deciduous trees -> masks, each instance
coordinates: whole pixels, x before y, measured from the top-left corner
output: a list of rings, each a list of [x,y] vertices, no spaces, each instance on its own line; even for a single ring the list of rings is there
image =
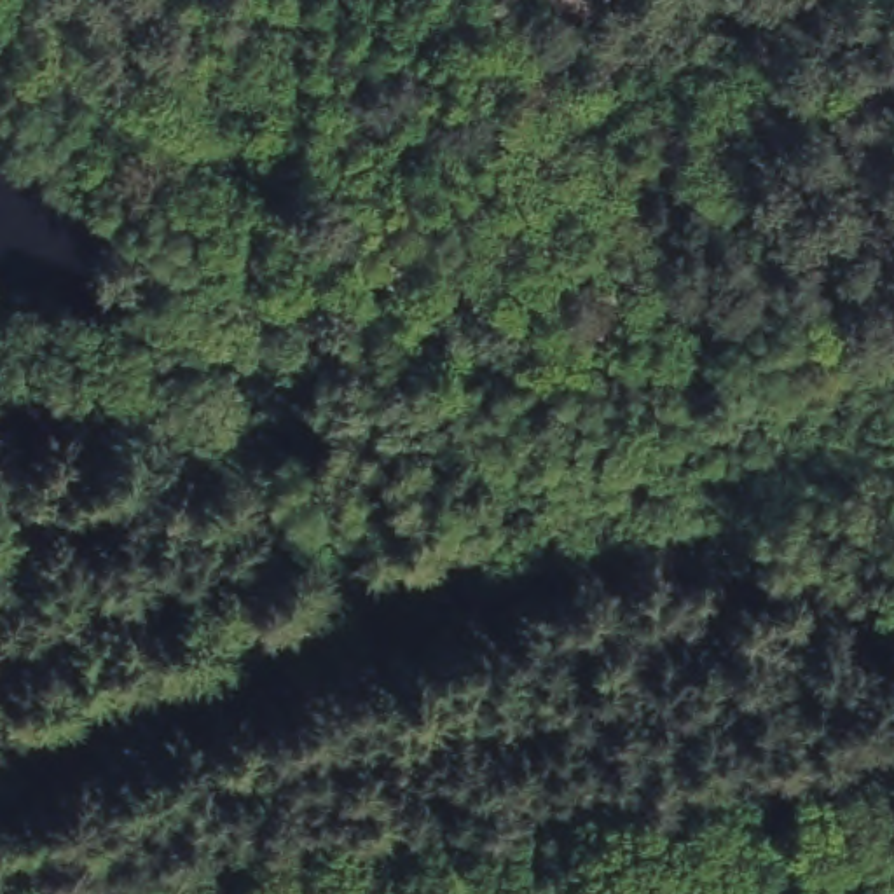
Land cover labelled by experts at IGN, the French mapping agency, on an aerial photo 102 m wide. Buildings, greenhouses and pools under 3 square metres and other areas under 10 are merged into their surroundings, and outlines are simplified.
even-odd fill
[[[880,726],[870,740],[831,751],[828,768],[821,772],[810,768],[786,775],[782,796],[793,800],[800,831],[796,859],[782,856],[761,835],[761,810],[768,793],[751,793],[744,786],[744,772],[733,768],[730,775],[705,779],[702,789],[667,789],[660,796],[657,824],[646,835],[611,831],[608,856],[562,873],[555,884],[541,884],[534,877],[534,845],[524,842],[513,845],[506,856],[492,856],[485,849],[475,870],[450,877],[447,894],[894,894],[894,702],[887,702]]]
[[[136,866],[122,859],[112,866],[108,856],[94,856],[70,891],[28,894],[217,894],[220,873],[241,870],[251,859],[255,828],[248,817],[241,817],[234,824],[224,824],[220,831],[199,835],[192,866],[182,866],[168,877],[154,873],[150,859]]]
[[[716,269],[695,269],[688,276],[677,276],[674,286],[660,297],[660,251],[653,244],[667,230],[667,224],[643,227],[636,217],[639,189],[660,175],[660,136],[667,126],[681,129],[688,143],[716,143],[723,133],[747,129],[747,108],[768,84],[761,70],[747,66],[733,38],[705,31],[705,14],[733,14],[744,24],[772,28],[779,24],[779,17],[814,7],[814,0],[653,0],[639,17],[604,17],[604,35],[580,35],[555,17],[552,3],[580,10],[587,0],[237,0],[234,10],[248,17],[251,28],[234,49],[234,63],[203,56],[185,77],[164,77],[161,84],[136,91],[122,70],[122,56],[91,63],[77,59],[70,66],[35,70],[28,80],[17,84],[17,91],[10,91],[0,101],[0,171],[17,185],[38,182],[52,210],[87,224],[115,251],[122,251],[122,258],[129,258],[119,279],[105,279],[98,286],[101,307],[126,307],[126,321],[115,321],[98,332],[87,328],[84,335],[77,335],[84,384],[70,388],[66,395],[52,395],[52,416],[140,416],[154,437],[175,437],[182,450],[203,461],[213,461],[237,444],[248,423],[248,405],[237,384],[248,374],[276,370],[276,384],[290,388],[297,370],[325,360],[328,353],[349,363],[349,388],[332,388],[314,398],[311,430],[328,440],[328,468],[318,478],[307,478],[297,492],[283,496],[272,510],[272,520],[286,531],[293,548],[300,548],[311,559],[297,583],[297,597],[332,594],[339,601],[339,587],[346,580],[363,580],[370,590],[391,590],[398,583],[437,587],[454,566],[478,566],[489,576],[506,576],[513,566],[524,562],[524,555],[538,552],[548,541],[555,541],[566,555],[597,555],[618,541],[671,545],[698,534],[716,534],[719,503],[702,496],[705,482],[740,478],[747,471],[765,468],[779,454],[842,450],[849,457],[877,464],[873,475],[859,482],[859,492],[852,499],[842,499],[838,492],[821,485],[803,485],[800,513],[786,538],[786,548],[772,548],[765,538],[754,548],[754,559],[761,566],[761,590],[768,590],[772,597],[793,597],[807,587],[817,587],[817,594],[842,604],[849,618],[873,618],[884,632],[894,629],[894,346],[866,349],[863,356],[842,353],[842,339],[831,328],[831,311],[821,300],[824,265],[786,272],[779,262],[765,262],[758,272],[740,265],[730,276]],[[262,213],[258,199],[237,196],[237,189],[230,185],[227,157],[248,157],[262,171],[269,171],[276,154],[293,154],[311,168],[314,199],[325,213],[314,237],[283,227],[276,217]]]

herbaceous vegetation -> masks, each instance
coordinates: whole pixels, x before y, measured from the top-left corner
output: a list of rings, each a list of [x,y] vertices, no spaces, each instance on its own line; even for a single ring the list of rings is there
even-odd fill
[[[227,157],[230,185],[237,189],[237,196],[258,199],[262,213],[276,217],[283,227],[314,237],[325,213],[314,199],[311,168],[293,154],[276,154],[269,171],[262,171],[248,157]]]

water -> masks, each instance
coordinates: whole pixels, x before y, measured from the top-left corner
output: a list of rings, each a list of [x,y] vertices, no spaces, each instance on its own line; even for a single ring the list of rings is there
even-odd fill
[[[0,314],[24,311],[35,314],[42,325],[63,325],[77,318],[87,325],[101,307],[98,286],[105,279],[119,279],[129,258],[122,258],[122,251],[115,251],[87,224],[52,210],[38,182],[17,185],[0,171]]]

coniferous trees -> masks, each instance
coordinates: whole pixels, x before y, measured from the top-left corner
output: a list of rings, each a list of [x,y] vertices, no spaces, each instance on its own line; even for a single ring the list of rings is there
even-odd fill
[[[192,866],[199,835],[220,831],[224,824],[234,824],[241,817],[248,817],[255,828],[251,859],[241,870],[220,873],[217,894],[447,894],[450,877],[475,870],[485,849],[492,856],[506,856],[513,845],[524,842],[534,845],[534,877],[541,884],[555,884],[562,873],[608,856],[611,831],[646,835],[657,824],[660,796],[667,789],[702,789],[705,779],[730,775],[733,768],[744,772],[744,786],[751,793],[768,793],[761,810],[761,835],[782,856],[796,859],[800,831],[793,800],[782,796],[786,775],[810,768],[821,772],[828,768],[831,751],[870,740],[880,726],[887,702],[894,702],[894,629],[884,632],[873,618],[849,618],[842,604],[817,594],[817,587],[807,587],[793,597],[772,597],[768,590],[761,590],[761,566],[754,559],[754,548],[765,538],[772,548],[786,548],[786,538],[800,513],[803,485],[821,485],[838,492],[842,499],[852,499],[859,492],[859,482],[873,475],[877,464],[849,457],[842,450],[779,454],[765,468],[747,471],[740,478],[705,482],[702,496],[719,503],[716,534],[698,534],[671,545],[618,541],[597,555],[566,555],[555,541],[548,541],[538,552],[524,555],[524,562],[513,566],[506,576],[489,576],[478,566],[454,566],[437,587],[398,583],[391,590],[370,590],[363,580],[346,580],[339,587],[339,601],[332,594],[297,597],[297,583],[311,559],[300,548],[293,548],[286,531],[272,520],[272,510],[283,496],[297,492],[307,478],[318,478],[328,468],[328,440],[311,430],[314,398],[332,388],[349,388],[349,363],[328,353],[325,360],[297,370],[290,388],[276,384],[276,370],[248,374],[237,384],[248,405],[248,423],[237,444],[213,461],[203,461],[182,450],[175,437],[154,437],[140,416],[52,416],[52,395],[66,395],[70,388],[84,384],[77,335],[84,335],[87,328],[98,332],[115,321],[126,321],[126,307],[101,307],[87,325],[77,318],[63,325],[42,325],[35,314],[24,311],[0,314],[0,894],[28,894],[70,891],[94,856],[108,856],[112,866],[122,859],[136,866],[150,859],[154,873],[168,877],[182,866]]]
[[[716,269],[730,276],[740,265],[758,272],[765,262],[779,262],[786,272],[824,265],[821,300],[831,311],[831,328],[842,339],[842,353],[863,356],[866,349],[894,346],[894,0],[814,0],[814,7],[779,17],[779,24],[772,28],[744,24],[733,14],[705,14],[705,31],[733,38],[747,66],[761,70],[768,84],[747,108],[747,129],[723,133],[716,143],[688,143],[681,129],[667,126],[660,136],[660,175],[639,189],[636,217],[643,227],[667,224],[667,230],[653,244],[660,251],[660,297],[674,286],[677,276],[688,276],[695,269]]]
[[[552,3],[555,17],[580,35],[604,35],[604,17],[639,17],[653,0],[587,0],[580,10]]]
[[[234,49],[251,28],[248,17],[234,10],[237,0],[0,0],[0,101],[10,91],[17,91],[17,84],[28,80],[35,70],[70,66],[77,59],[91,63],[122,56],[122,70],[136,91],[161,84],[164,77],[185,77],[203,56],[234,63]]]

